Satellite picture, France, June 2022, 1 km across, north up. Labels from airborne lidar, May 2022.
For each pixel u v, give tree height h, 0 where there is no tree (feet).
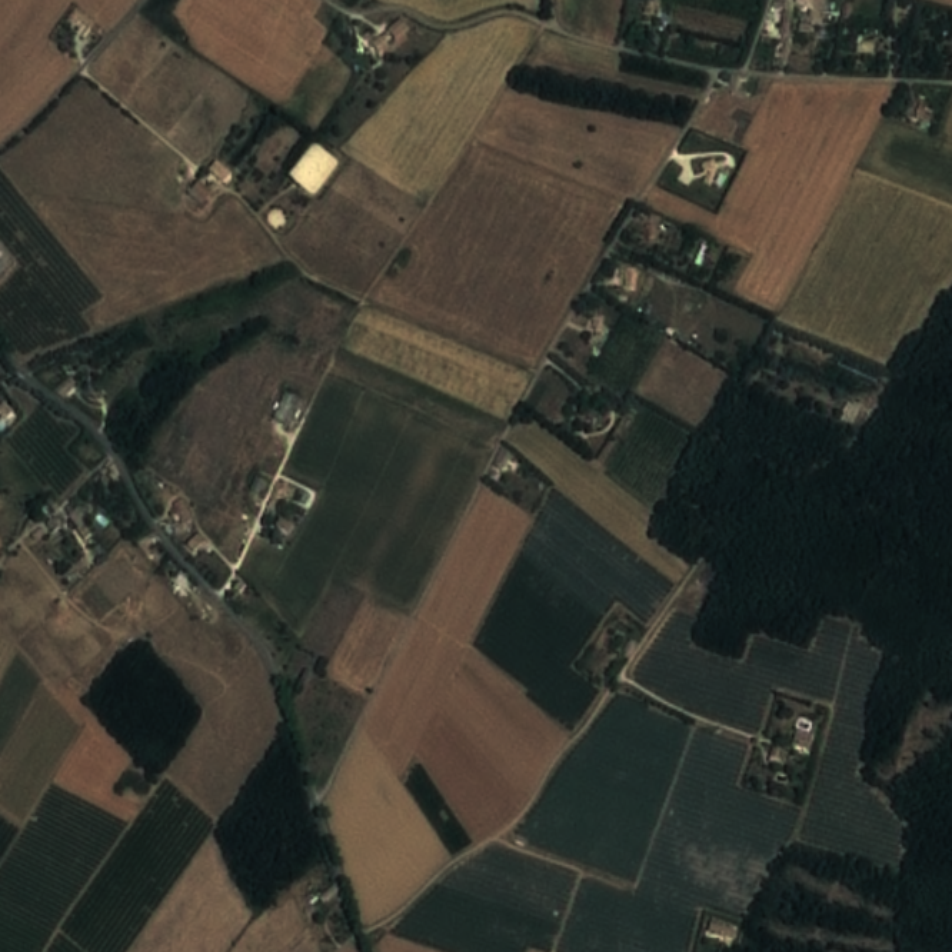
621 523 0
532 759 0
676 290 0
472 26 0
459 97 0
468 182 0
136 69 0
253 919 0
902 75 42
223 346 29
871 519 71
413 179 0
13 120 0
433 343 0
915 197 0
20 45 0
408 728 0
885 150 0
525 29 0
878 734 46
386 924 0
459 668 0
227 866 27
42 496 29
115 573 0
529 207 0
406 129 0
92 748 0
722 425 59
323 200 0
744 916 33
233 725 0
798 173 0
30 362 23
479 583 0
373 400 0
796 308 0
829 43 25
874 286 0
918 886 46
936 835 59
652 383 0
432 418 0
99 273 0
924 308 0
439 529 0
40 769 0
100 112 0
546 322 0
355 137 0
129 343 22
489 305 0
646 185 0
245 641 0
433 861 0
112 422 35
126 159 0
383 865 0
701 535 48
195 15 0
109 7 0
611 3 0
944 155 0
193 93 0
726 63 23
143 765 36
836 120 0
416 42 0
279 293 0
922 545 45
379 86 29
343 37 20
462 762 0
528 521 0
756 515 61
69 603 0
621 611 0
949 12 28
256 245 0
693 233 34
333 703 0
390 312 0
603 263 42
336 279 0
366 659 0
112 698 36
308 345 0
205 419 0
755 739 31
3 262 0
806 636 47
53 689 0
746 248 0
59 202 0
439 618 0
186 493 0
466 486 0
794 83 0
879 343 0
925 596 50
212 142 0
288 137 0
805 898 61
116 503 37
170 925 0
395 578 0
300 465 0
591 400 42
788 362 48
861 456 63
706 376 0
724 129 0
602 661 0
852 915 60
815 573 53
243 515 0
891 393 37
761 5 41
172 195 0
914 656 45
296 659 0
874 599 38
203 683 0
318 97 0
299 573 0
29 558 0
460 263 0
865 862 37
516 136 0
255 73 0
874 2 0
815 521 54
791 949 74
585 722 0
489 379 0
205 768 0
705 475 62
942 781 54
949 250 0
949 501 53
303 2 0
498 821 0
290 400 0
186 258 0
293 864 40
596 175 0
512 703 0
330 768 0
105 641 0
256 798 48
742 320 0
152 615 0
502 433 0
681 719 35
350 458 0
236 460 0
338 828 0
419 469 0
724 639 50
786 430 62
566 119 0
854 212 0
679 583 0
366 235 0
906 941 53
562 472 0
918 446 52
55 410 53
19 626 0
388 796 0
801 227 0
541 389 0
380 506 0
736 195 0
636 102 25
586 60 0
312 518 0
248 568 0
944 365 60
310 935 0
